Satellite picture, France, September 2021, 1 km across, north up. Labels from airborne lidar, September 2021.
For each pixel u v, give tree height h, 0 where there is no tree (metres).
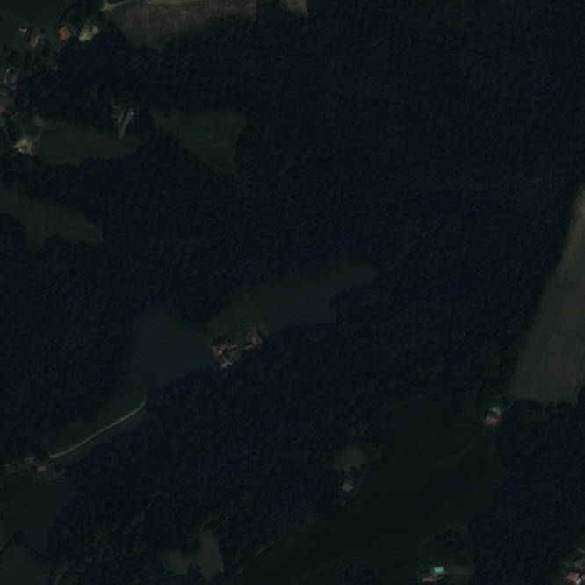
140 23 0
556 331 0
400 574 0
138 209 16
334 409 26
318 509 25
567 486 23
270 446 24
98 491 22
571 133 10
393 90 19
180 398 25
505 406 13
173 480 19
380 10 8
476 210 25
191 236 28
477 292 21
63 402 23
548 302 0
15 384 24
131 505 15
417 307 23
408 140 20
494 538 24
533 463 27
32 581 0
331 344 25
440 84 17
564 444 25
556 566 28
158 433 29
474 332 20
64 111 24
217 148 0
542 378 0
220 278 13
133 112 10
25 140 0
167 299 22
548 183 9
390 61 17
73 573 14
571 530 41
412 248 22
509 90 17
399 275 26
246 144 23
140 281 23
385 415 11
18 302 18
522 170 17
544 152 21
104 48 29
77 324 21
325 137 16
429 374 33
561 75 18
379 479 0
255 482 28
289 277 25
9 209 0
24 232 20
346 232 23
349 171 16
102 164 19
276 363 27
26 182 22
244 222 21
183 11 0
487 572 23
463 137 23
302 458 30
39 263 22
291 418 19
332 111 17
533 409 23
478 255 23
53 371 27
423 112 19
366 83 21
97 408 19
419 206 22
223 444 21
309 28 14
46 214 0
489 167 19
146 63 24
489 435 0
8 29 0
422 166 16
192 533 34
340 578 0
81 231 0
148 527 26
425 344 24
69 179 25
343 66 6
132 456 33
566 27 23
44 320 20
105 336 25
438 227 27
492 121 18
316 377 17
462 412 27
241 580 15
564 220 23
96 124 20
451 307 26
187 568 0
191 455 18
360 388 26
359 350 25
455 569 0
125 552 24
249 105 18
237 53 17
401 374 21
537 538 24
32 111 13
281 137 16
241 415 20
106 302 17
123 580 26
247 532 29
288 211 17
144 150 17
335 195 19
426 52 19
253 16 0
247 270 17
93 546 9
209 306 13
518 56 20
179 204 24
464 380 19
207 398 26
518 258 16
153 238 28
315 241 21
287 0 0
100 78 23
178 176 22
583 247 0
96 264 25
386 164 20
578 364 0
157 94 20
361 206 16
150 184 13
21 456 12
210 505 16
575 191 15
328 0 14
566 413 15
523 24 15
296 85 11
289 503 19
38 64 8
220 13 0
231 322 0
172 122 0
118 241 20
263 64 21
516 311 26
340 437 24
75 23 15
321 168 21
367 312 27
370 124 17
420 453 0
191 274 22
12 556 0
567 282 0
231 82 13
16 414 22
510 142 14
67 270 18
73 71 25
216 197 20
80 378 25
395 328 28
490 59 19
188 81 12
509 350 27
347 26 17
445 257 18
